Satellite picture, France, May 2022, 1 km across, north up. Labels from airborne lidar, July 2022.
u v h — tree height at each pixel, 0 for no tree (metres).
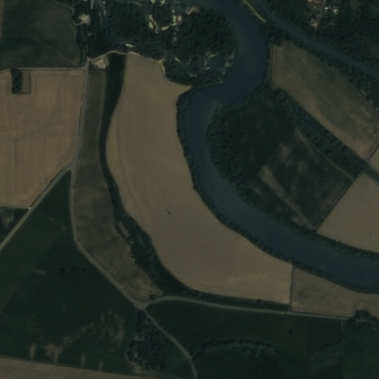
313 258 0
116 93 0
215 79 15
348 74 18
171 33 13
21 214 0
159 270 0
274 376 0
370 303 0
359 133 0
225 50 15
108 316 0
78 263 0
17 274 0
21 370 0
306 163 0
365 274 0
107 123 0
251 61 0
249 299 0
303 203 0
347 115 0
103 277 0
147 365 12
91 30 17
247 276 0
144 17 16
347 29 8
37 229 0
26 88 0
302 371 0
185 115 0
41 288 0
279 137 0
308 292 0
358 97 0
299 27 16
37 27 0
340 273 0
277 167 0
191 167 8
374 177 0
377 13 0
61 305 0
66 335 0
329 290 0
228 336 0
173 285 0
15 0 0
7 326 0
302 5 0
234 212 0
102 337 0
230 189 0
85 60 0
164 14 14
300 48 19
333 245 10
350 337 0
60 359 0
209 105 0
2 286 0
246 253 0
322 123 0
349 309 0
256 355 16
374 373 0
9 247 0
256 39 0
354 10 0
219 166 15
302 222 0
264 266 0
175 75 12
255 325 0
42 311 0
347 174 0
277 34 19
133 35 20
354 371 0
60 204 0
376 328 13
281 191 0
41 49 0
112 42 7
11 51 0
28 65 0
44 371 0
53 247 0
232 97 0
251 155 0
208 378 0
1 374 0
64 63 0
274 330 0
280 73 0
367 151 0
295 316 0
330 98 0
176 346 0
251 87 0
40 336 0
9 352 0
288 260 14
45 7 0
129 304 0
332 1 15
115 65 0
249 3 0
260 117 0
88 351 0
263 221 0
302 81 0
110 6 18
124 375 0
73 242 0
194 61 20
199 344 0
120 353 0
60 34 0
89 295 0
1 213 0
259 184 0
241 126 0
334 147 6
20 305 0
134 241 0
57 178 0
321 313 0
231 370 0
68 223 0
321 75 0
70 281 0
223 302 0
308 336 0
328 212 0
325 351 10
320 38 18
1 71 0
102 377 0
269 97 0
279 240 0
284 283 0
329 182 0
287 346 0
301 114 17
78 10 16
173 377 0
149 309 0
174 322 0
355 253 10
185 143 13
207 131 7
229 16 0
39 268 0
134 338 0
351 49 15
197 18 25
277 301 0
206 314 0
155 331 17
